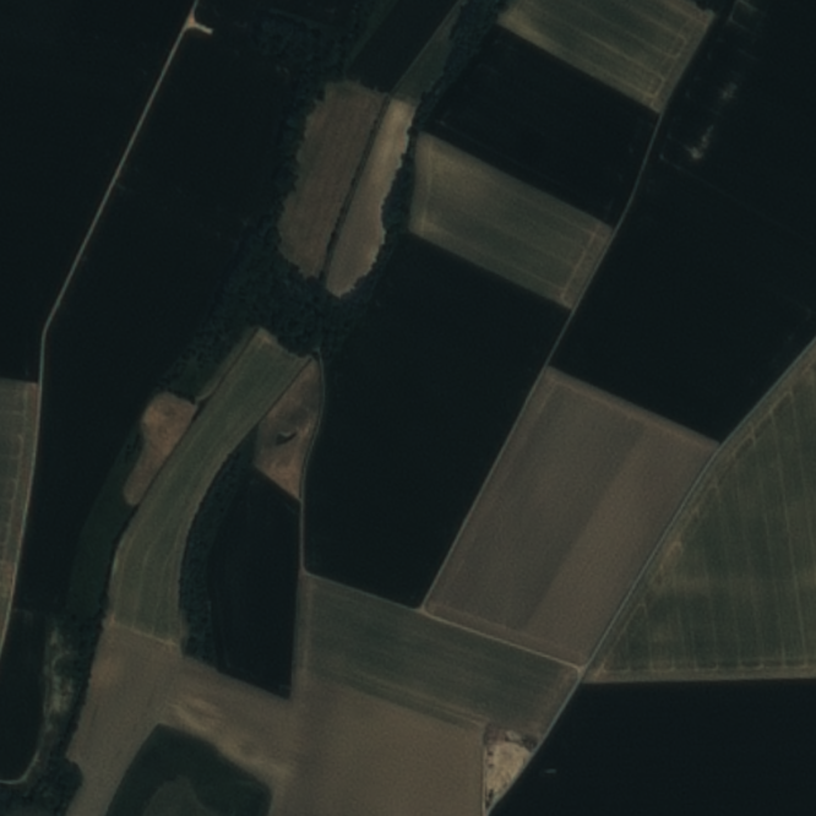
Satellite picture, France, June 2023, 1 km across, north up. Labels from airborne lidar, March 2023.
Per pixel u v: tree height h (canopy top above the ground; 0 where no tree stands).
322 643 0
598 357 0
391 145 0
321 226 0
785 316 0
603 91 0
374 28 0
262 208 0
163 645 0
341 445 0
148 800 0
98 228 0
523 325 0
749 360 0
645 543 0
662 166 0
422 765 0
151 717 0
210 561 0
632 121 0
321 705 0
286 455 0
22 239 0
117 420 0
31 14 0
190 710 0
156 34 0
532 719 0
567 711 0
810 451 0
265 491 0
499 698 0
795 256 0
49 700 0
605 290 0
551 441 0
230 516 0
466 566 0
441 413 0
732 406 0
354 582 0
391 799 0
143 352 0
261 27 15
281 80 0
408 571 0
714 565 0
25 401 0
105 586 6
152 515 0
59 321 0
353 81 0
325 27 0
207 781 0
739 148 0
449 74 13
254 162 0
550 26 0
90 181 0
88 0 0
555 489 0
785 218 0
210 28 0
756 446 0
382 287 0
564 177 0
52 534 0
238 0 0
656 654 0
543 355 0
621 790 0
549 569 0
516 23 0
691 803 0
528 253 0
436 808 0
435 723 0
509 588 0
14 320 0
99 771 0
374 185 0
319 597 0
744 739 0
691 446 0
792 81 0
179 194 0
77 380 0
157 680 0
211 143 0
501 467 0
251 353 0
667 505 0
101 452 0
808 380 0
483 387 0
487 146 0
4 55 0
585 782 0
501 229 0
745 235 0
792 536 0
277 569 0
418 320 0
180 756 0
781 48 0
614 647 0
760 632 0
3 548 0
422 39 0
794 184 0
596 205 0
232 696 0
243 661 0
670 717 0
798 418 0
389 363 0
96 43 0
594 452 0
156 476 0
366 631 0
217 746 0
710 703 0
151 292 0
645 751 0
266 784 0
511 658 0
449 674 0
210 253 0
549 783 0
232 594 0
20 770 0
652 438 0
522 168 0
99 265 0
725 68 0
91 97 0
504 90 0
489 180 0
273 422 0
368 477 0
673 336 0
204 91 0
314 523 0
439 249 0
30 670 0
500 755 0
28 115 0
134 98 0
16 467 0
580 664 0
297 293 28
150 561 0
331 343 13
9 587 0
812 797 0
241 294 22
